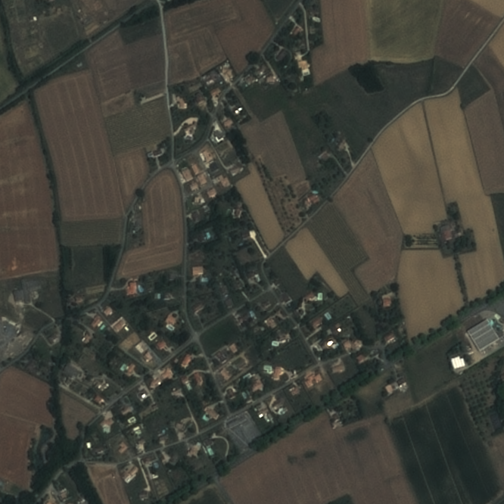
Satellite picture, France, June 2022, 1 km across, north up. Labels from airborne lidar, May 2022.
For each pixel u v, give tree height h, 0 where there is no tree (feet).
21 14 0
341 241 0
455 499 0
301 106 0
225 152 0
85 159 0
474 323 0
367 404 0
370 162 0
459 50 0
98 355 25
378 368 40
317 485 0
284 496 0
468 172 0
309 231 0
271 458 0
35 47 0
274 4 0
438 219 0
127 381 37
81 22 0
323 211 0
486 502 0
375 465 0
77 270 0
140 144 0
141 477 0
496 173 0
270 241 0
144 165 0
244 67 0
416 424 0
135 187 0
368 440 0
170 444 0
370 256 0
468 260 0
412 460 0
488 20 0
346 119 0
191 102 34
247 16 0
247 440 0
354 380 52
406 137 0
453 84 0
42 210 0
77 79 0
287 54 21
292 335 27
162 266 0
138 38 0
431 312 0
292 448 0
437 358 0
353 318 20
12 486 0
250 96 0
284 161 0
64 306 28
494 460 0
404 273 0
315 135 0
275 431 60
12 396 0
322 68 0
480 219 0
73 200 0
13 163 0
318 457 0
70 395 0
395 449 0
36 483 52
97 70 0
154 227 0
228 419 0
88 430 39
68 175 0
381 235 0
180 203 0
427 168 0
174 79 0
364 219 0
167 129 0
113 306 39
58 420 32
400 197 0
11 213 0
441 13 0
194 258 0
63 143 0
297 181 0
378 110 0
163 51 0
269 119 0
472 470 0
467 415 0
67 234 0
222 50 0
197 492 61
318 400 0
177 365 18
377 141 0
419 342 58
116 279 0
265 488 0
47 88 0
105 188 0
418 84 0
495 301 60
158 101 0
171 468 21
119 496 0
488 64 0
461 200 0
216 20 0
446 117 0
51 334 26
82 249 0
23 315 0
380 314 24
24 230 0
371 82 40
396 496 0
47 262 0
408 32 0
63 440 40
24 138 0
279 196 0
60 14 0
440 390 0
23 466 0
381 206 0
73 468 20
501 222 0
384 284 0
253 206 0
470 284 0
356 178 0
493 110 0
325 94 0
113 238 0
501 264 0
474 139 0
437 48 0
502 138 0
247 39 0
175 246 0
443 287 0
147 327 35
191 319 0
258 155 0
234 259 21
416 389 0
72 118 0
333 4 0
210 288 26
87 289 0
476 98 0
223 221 35
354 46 0
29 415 0
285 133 0
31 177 0
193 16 0
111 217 0
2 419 0
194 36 0
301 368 24
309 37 24
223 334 0
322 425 0
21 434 0
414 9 0
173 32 0
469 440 0
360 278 0
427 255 0
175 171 0
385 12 0
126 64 0
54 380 44
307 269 0
